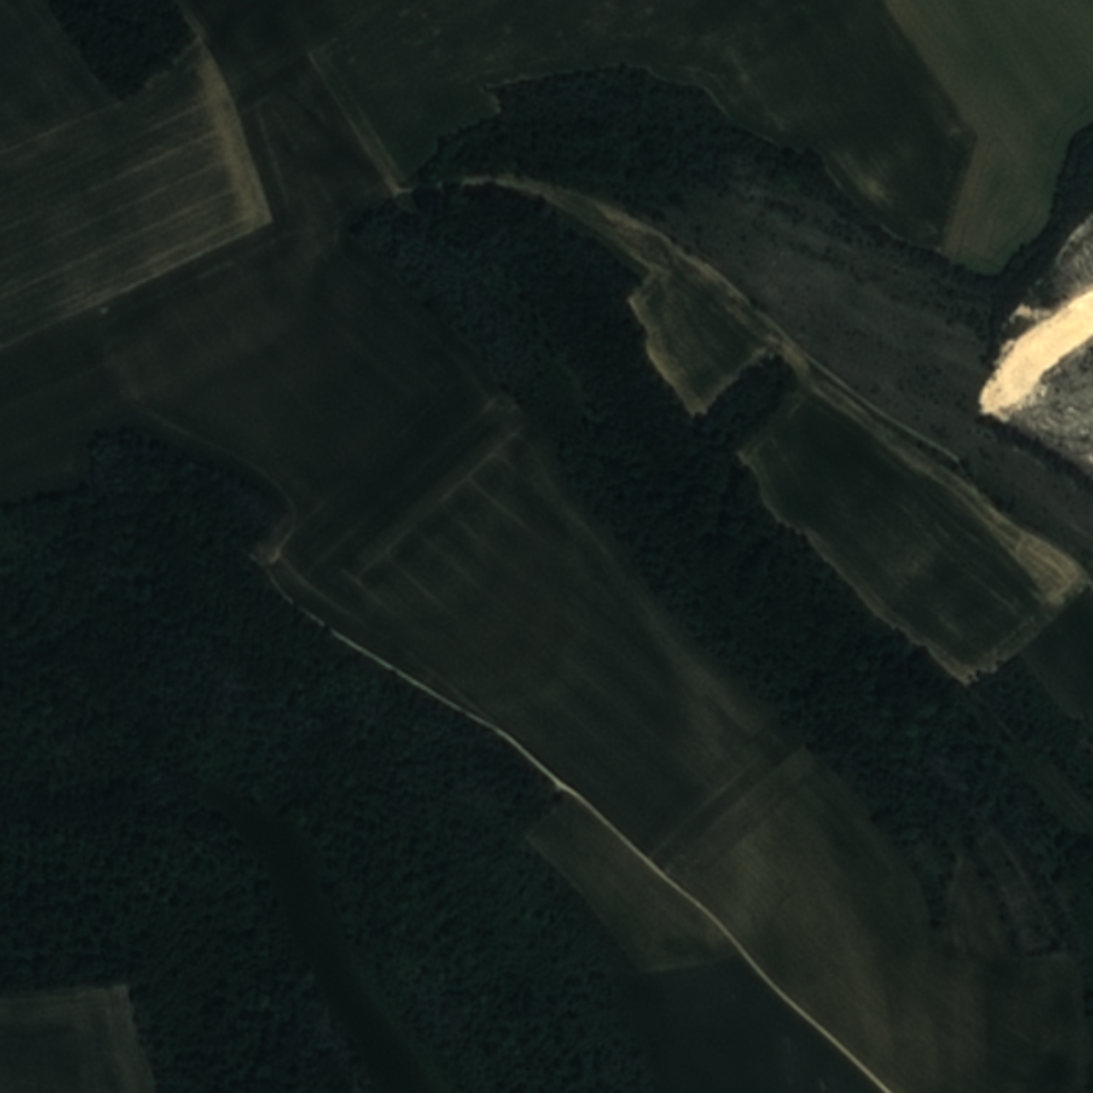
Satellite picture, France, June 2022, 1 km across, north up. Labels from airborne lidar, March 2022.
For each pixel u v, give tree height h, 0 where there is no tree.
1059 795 0
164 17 22
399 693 17
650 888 0
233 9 0
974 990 0
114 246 0
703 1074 0
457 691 0
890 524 0
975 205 0
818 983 0
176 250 0
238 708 16
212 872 14
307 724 19
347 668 13
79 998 0
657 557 15
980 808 21
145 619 23
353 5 0
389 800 15
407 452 0
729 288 0
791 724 14
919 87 0
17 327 0
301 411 0
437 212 24
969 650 0
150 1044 12
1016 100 0
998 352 7
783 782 0
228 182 0
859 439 0
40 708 15
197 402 0
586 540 0
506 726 0
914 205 0
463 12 0
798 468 0
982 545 0
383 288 0
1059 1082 0
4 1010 0
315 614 0
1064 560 0
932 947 0
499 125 14
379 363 0
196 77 0
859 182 0
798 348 0
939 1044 0
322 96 0
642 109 14
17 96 0
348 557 0
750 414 13
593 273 17
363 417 0
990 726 0
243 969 12
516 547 0
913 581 0
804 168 14
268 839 0
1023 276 9
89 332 0
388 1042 0
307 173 0
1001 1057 0
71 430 0
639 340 14
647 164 11
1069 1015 0
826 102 0
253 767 13
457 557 0
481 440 0
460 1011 11
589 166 14
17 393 0
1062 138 0
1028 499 0
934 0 0
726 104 0
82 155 0
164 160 0
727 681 0
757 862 0
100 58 19
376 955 8
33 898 21
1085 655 0
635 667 0
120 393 0
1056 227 10
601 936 8
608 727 0
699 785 0
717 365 0
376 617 0
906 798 7
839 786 0
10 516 11
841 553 0
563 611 0
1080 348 0
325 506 0
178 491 18
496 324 16
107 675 17
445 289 18
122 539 12
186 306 0
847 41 0
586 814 0
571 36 0
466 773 17
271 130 0
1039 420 0
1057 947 14
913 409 0
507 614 0
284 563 0
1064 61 0
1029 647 0
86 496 15
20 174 0
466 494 0
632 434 15
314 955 0
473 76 0
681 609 11
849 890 0
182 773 14
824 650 21
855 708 16
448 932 14
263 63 0
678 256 0
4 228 0
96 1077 0
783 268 0
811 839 0
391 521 0
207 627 14
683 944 0
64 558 15
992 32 0
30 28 0
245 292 0
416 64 0
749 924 0
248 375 0
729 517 26
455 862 12
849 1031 0
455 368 0
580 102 13
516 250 13
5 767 11
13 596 19
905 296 0
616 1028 9
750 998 0
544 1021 14
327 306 0
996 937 0
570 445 12
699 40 0
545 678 0
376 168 0
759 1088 0
